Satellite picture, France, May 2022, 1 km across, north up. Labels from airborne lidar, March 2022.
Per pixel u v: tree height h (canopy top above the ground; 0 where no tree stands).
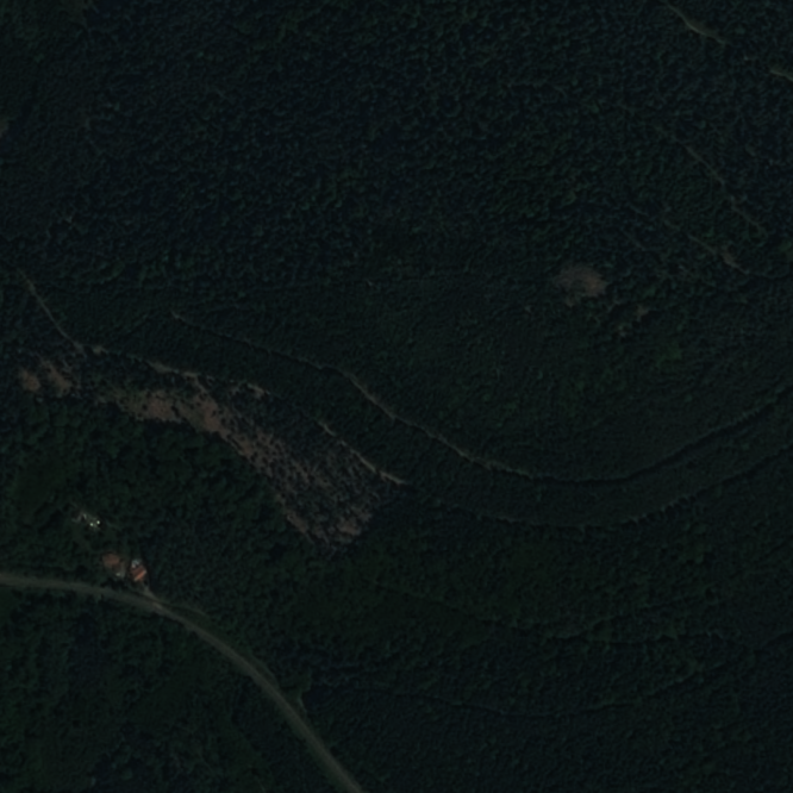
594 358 17
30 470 7
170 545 29
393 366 15
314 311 18
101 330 15
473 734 17
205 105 33
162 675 16
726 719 20
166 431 30
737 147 15
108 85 25
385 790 17
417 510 24
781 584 22
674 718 24
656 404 18
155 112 32
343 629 18
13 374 28
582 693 20
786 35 32
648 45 11
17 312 13
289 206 32
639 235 31
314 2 32
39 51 16
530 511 19
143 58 23
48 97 28
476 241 9
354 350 16
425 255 10
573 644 24
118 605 6
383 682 18
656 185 9
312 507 30
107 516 14
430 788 20
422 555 25
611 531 22
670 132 17
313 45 24
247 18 30
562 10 30
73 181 27
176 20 33
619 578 22
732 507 24
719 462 16
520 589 20
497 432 14
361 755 20
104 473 34
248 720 22
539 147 28
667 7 13
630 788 16
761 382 20
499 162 30
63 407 31
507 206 28
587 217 21
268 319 21
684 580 21
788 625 21
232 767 29
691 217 7
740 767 13
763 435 23
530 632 14
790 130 33
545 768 21
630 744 20
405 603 18
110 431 34
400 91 30
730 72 12
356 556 21
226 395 10
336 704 24
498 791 22
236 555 32
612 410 15
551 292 10
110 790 26
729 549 18
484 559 18
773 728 23
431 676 21
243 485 32
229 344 19
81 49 22
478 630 20
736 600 19
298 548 29
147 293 15
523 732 19
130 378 19
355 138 7
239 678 9
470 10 33
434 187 27
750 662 23
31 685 29
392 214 25
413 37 17
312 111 8
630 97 24
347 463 25
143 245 26
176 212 26
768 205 14
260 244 28
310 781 20
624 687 25
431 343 8
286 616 22
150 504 36
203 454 37
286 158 32
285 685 17
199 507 28
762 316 27
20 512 7
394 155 27
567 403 17
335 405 17
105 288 14
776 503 20
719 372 19
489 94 28
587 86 16
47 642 22
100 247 28
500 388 12
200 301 18
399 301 12
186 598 24
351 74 16
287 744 24
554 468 23
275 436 29
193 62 27
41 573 18
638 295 15
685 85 30
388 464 14
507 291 8
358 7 34
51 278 18
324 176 31
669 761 19
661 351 17
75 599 21
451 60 24
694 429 16
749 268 17
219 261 23
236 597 27
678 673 21
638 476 19
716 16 32
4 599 0
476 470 12
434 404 17
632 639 18
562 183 27
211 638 0
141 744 24
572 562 25
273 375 20
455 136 30
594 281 0
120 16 10
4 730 17
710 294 7
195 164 25
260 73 31
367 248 6
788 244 17
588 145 27
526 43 22
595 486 23
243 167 28
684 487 21
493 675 23
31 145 22
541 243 6
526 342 13
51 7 13
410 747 20
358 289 13
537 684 17
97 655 28
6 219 26
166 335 20
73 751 7
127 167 29
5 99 15
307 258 30
